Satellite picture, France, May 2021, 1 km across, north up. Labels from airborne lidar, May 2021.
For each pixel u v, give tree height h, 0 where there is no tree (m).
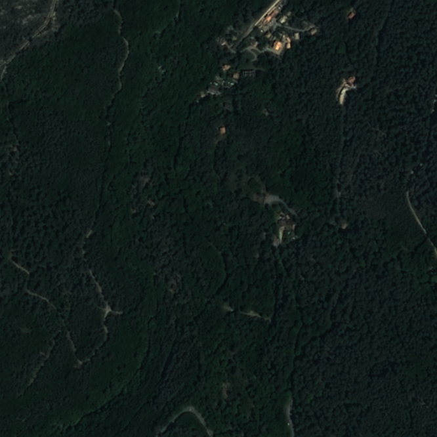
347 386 37
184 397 15
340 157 34
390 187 8
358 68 30
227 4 29
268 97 33
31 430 18
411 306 39
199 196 29
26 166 27
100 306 21
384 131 23
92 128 15
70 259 32
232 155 20
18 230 38
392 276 35
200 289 15
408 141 44
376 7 32
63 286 28
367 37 29
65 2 9
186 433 23
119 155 23
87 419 21
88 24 9
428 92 28
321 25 24
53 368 16
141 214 25
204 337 22
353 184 14
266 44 11
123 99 22
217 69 9
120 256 21
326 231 38
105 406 17
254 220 36
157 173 26
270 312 28
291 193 35
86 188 20
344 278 35
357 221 33
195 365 14
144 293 23
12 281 18
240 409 32
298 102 25
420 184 28
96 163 15
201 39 21
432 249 13
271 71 12
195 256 26
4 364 15
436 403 33
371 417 38
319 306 27
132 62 15
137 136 19
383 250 34
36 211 39
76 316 18
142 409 11
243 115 32
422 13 34
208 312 22
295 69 30
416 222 6
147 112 10
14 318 15
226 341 17
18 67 10
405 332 36
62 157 21
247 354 26
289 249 14
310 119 30
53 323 12
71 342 21
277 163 35
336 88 28
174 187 31
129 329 19
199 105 22
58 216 35
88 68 17
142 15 27
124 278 23
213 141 31
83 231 15
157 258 31
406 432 20
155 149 17
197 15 25
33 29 13
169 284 26
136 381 19
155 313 17
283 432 26
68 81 15
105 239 28
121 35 11
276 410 28
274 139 37
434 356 18
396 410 27
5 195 16
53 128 26
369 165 28
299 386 39
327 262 39
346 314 34
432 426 29
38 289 30
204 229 28
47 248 36
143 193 17
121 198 23
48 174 18
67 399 24
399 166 32
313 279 37
